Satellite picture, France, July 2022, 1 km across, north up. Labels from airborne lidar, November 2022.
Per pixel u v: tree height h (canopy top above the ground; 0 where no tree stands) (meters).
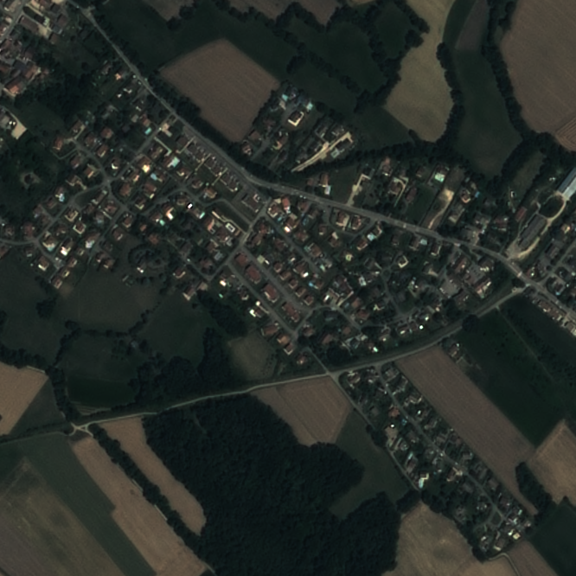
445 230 12
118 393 0
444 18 0
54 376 19
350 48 0
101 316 0
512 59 0
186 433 23
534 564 0
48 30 0
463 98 24
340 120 20
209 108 0
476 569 0
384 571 16
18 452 0
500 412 0
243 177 0
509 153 0
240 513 23
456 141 21
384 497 16
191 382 29
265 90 0
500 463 0
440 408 0
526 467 10
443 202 0
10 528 0
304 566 24
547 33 0
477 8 0
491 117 0
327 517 19
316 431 0
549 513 17
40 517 0
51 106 11
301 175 17
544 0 0
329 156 0
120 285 0
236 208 0
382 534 10
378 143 0
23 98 14
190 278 0
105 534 0
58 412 0
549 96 0
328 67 18
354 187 0
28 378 0
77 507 0
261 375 0
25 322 0
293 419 0
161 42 0
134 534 0
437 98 0
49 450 0
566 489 0
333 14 0
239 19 12
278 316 0
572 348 0
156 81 15
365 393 6
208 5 0
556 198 0
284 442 14
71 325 16
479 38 0
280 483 25
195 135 0
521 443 0
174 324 0
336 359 15
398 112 0
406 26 0
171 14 0
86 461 0
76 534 0
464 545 0
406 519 0
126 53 19
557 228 13
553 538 0
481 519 13
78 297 0
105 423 0
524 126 21
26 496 0
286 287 0
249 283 0
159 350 0
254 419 26
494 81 0
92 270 0
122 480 0
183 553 0
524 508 8
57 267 0
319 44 0
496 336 0
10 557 0
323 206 0
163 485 0
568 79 0
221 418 19
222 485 23
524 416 0
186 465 21
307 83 0
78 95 15
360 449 0
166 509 19
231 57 0
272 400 0
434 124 0
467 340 0
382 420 0
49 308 11
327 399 0
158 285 0
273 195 16
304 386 0
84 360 0
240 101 0
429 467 12
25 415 0
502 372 0
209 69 0
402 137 0
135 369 0
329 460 19
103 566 0
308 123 0
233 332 22
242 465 8
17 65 0
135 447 0
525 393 0
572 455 0
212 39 0
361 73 0
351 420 0
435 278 6
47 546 0
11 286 0
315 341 15
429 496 16
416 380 0
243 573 17
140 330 9
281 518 28
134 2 0
